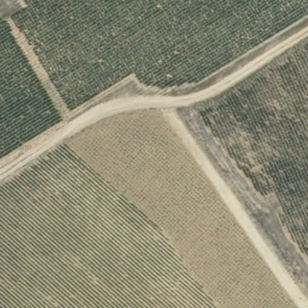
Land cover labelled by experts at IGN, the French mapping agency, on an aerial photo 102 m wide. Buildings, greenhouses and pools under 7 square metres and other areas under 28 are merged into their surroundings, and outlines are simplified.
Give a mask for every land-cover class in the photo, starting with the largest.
<instances>
[{"label":"vineyard","instance_id":"1","mask_svg":"<svg viewBox=\"0 0 308 308\"><path fill-rule=\"evenodd\" d=\"M308 25V0H0V159L53 125L60 122L71 123L91 108L118 97L182 96L211 87L219 79L241 69L267 49L278 45ZM186 130L211 161L215 171L229 186L245 212L254 220L260 235L267 244L273 245L274 253L282 261L286 272L291 274L298 289L308 298V36L220 94L194 102L192 105L177 107L176 111ZM5 179L0 182V308H298L250 241L235 215L221 199L211 179L185 147L182 137L177 135L176 129L172 128L171 123L162 115L159 107L132 109L96 120L75 134L65 137L53 150L38 155L36 159L14 171L11 176L6 177L1 173Z\"/></svg>","mask_w":308,"mask_h":308},{"label":"pervious surface","instance_id":"2","mask_svg":"<svg viewBox=\"0 0 308 308\"><path fill-rule=\"evenodd\" d=\"M308 36V25L278 45L267 49L241 69L219 79L211 87L182 96L118 97L91 108L71 123L60 122L53 125L0 159V182L5 179L1 173L6 177L11 176L14 171L36 159L38 155L53 150L65 137L75 134L96 120L132 109L159 107L162 115L171 123L172 128L176 129L177 135L182 137L185 147L211 179L221 199L235 215L250 241L298 308H308V298L298 289L291 274L286 272L282 261L274 253L273 245L267 244L260 235L254 220L245 212L229 186L215 171L211 161L186 130L176 111L177 107L192 105L194 102L220 94Z\"/></svg>","mask_w":308,"mask_h":308}]
</instances>
